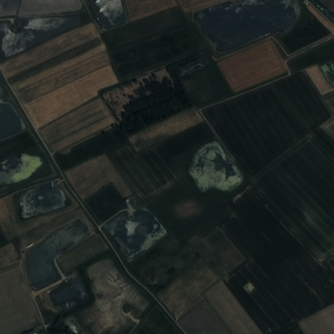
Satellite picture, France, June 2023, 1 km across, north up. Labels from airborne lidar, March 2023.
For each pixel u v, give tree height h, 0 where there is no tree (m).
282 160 0
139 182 0
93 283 0
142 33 0
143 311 0
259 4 0
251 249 0
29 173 0
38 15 0
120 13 0
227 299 0
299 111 0
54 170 0
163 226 0
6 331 0
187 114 0
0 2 0
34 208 0
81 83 0
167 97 0
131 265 0
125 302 0
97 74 0
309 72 0
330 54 0
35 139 0
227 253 0
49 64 0
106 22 0
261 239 0
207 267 0
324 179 0
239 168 0
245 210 0
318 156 0
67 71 0
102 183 0
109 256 0
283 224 0
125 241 0
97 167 0
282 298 0
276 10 0
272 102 0
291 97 0
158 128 0
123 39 0
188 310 0
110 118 0
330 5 0
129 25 0
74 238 0
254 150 0
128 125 16
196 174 0
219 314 0
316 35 0
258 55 0
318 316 0
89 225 0
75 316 0
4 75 0
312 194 0
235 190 0
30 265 0
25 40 0
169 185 0
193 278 0
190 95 0
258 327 0
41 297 0
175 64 0
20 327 0
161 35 0
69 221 0
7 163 0
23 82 0
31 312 0
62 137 0
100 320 0
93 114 0
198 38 0
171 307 0
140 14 0
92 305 0
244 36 0
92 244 0
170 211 0
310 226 0
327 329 0
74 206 0
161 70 0
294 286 0
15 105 0
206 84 0
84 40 0
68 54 0
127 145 0
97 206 0
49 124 0
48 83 0
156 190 0
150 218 0
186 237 0
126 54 0
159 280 0
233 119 0
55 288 0
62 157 0
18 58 0
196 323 0
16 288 0
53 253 0
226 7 0
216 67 0
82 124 0
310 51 0
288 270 0
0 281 0
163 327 0
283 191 0
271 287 0
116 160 0
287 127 0
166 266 0
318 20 0
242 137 0
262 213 0
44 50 0
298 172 0
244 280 0
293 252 0
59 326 13
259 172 0
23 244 0
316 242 0
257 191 0
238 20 0
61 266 0
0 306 0
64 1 0
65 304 0
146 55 0
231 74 0
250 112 0
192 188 0
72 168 0
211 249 0
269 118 0
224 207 0
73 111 0
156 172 0
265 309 0
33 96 0
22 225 0
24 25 0
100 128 0
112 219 0
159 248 0
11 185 0
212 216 0
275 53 0
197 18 0
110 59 0
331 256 0
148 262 0
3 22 0
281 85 0
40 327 0
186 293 0
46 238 0
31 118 0
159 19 0
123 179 0
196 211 0
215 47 0
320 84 0
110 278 0
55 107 0
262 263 0
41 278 0
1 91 0
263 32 0
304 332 0
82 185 0
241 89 0
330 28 0
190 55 0
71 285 0
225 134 0
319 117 0
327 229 0
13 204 0
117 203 0
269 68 0
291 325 0
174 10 0
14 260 0
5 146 0
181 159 0
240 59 0
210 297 0
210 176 0
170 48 0
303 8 0
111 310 0
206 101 0
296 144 0
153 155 0
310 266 0
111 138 0
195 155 0
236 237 0
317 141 0
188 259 0
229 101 0
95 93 0
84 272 0
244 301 0
